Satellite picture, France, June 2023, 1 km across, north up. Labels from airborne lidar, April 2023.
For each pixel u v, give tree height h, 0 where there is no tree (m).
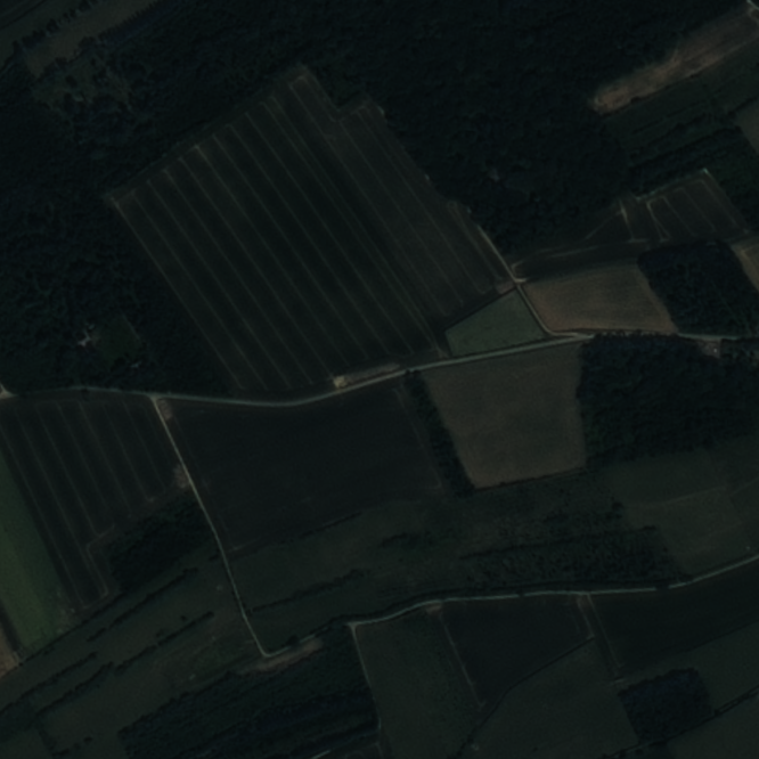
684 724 17
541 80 19
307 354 0
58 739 0
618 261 0
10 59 7
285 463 0
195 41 14
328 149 0
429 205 0
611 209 0
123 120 26
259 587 0
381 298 0
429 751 0
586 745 0
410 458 0
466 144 24
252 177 0
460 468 17
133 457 0
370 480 0
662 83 0
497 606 0
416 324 0
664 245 0
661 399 13
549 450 0
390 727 0
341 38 22
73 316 24
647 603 0
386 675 0
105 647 0
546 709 0
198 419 0
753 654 0
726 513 0
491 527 0
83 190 15
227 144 0
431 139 22
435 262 0
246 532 0
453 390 0
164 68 14
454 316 0
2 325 15
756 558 0
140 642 0
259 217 0
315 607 0
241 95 11
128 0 0
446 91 24
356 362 0
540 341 0
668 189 0
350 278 0
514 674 0
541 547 6
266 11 11
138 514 0
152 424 0
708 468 0
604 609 0
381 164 0
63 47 0
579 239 0
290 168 0
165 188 0
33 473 0
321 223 0
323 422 0
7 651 0
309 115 0
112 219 14
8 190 20
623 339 20
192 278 0
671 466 0
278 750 0
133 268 16
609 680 0
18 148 15
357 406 0
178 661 0
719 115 6
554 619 0
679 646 0
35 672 0
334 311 0
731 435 10
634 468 0
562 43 18
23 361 16
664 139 7
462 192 21
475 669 0
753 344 10
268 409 0
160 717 6
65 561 0
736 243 0
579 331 0
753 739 0
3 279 20
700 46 0
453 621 0
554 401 0
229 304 0
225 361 0
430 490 0
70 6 0
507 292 0
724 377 21
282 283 0
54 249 22
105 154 12
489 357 0
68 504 0
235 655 0
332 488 0
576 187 24
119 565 6
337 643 8
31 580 0
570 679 0
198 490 0
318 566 0
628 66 19
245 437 0
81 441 0
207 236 0
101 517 0
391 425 0
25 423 0
